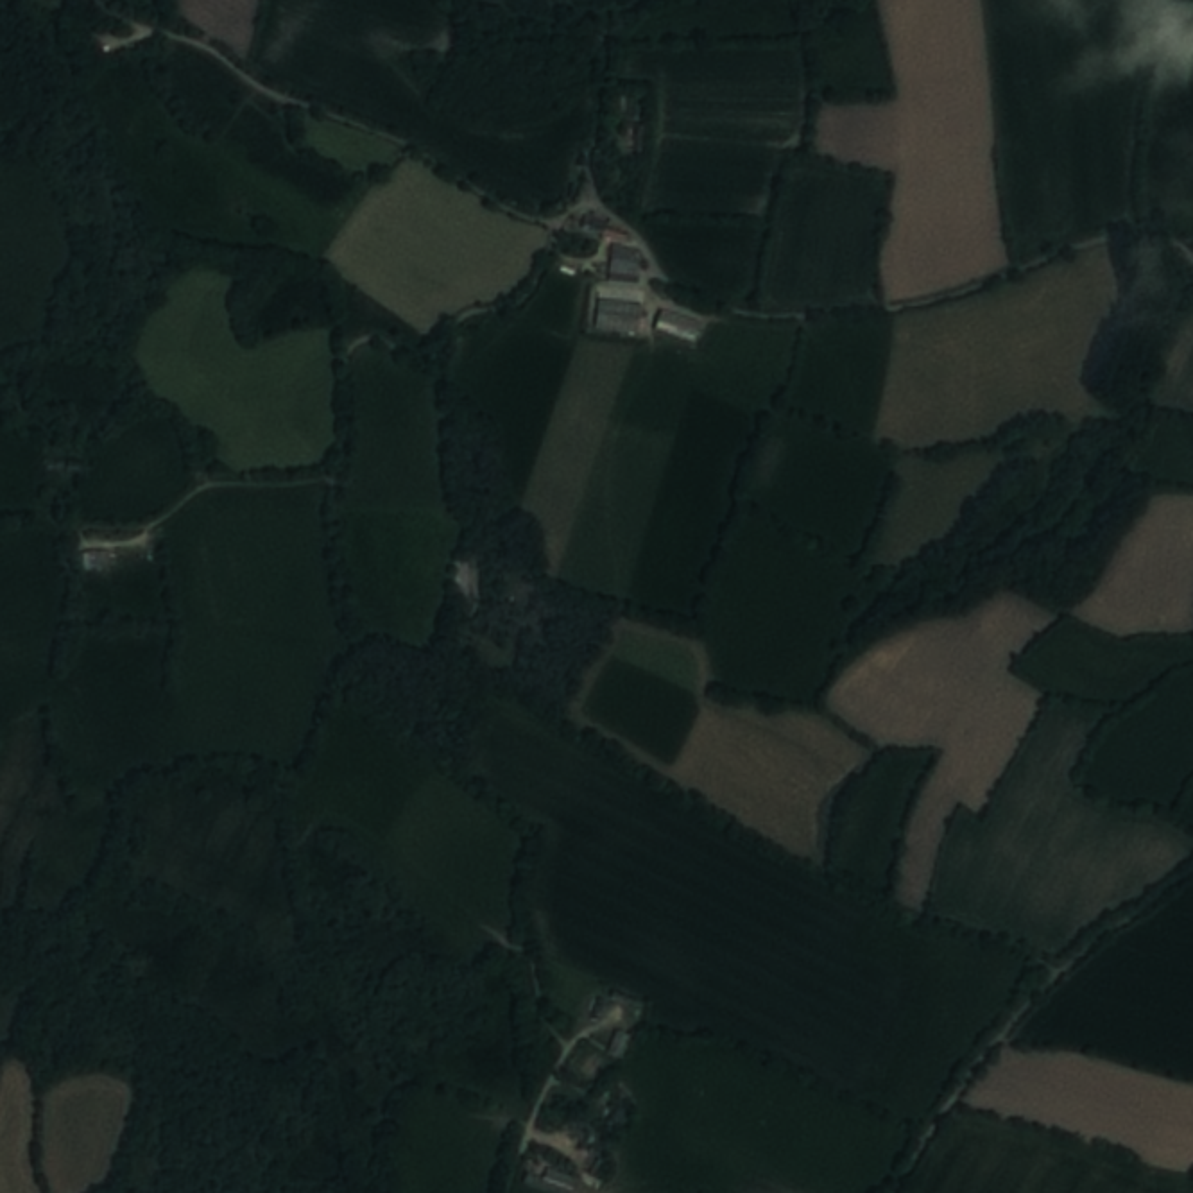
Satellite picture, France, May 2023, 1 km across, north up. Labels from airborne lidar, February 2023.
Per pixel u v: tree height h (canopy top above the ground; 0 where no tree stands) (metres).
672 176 0
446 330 16
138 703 0
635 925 0
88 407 0
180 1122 16
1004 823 0
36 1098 12
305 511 0
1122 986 0
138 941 0
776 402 11
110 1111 0
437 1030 9
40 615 0
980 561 20
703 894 0
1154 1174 0
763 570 0
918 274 0
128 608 0
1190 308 18
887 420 0
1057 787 0
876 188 0
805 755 0
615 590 0
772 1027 0
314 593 0
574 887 0
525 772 0
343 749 0
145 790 13
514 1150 8
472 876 0
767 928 0
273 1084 12
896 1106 0
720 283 0
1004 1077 0
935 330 0
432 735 16
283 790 11
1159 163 0
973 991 0
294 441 0
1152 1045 0
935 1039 0
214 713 0
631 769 9
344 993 9
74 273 11
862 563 9
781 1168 0
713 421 0
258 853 0
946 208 0
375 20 0
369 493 0
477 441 12
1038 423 18
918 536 0
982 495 13
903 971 0
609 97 15
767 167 0
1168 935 0
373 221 0
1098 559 24
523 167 0
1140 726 0
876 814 0
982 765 0
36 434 12
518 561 16
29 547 0
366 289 0
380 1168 14
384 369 0
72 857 0
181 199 0
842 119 0
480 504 11
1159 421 16
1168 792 0
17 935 14
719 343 0
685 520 0
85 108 12
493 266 0
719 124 0
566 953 0
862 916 0
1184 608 0
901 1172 12
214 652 0
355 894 8
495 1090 0
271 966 12
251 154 0
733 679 0
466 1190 0
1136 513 18
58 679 12
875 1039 0
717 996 0
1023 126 0
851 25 17
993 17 0
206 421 0
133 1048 9
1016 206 0
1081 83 0
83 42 15
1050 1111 0
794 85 0
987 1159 0
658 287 9
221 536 0
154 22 9
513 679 18
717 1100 0
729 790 0
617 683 0
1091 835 0
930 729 0
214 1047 14
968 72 0
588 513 0
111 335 13
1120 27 0
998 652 0
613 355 0
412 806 0
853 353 0
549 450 0
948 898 0
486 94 10
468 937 0
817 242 0
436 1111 0
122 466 0
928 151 0
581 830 0
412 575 0
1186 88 0
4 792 0
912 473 0
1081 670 0
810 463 0
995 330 0
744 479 11
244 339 10
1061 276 0
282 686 0
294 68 0
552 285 0
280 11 0
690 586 0
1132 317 36
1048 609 12
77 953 10
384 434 0
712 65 0
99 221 8
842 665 8
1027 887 0
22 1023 15
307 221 0
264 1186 11
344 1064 0
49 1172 0
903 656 0
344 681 17
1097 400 35
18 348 9
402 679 22
